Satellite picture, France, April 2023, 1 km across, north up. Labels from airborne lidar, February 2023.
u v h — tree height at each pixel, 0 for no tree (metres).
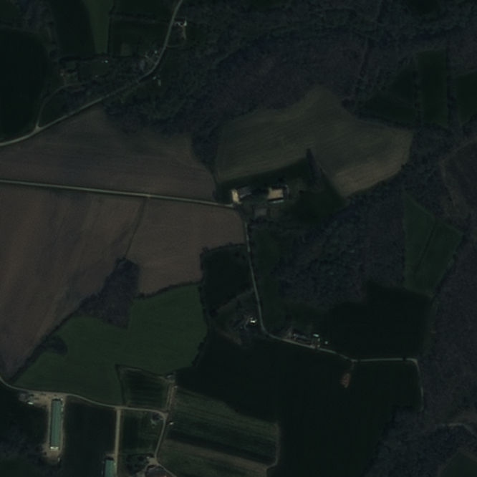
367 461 0
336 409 0
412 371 0
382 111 0
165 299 0
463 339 16
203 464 0
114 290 22
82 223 0
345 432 0
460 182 0
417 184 17
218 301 0
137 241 0
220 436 0
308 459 0
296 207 0
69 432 0
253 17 25
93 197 0
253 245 14
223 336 0
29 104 0
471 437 8
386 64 18
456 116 20
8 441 12
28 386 0
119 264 11
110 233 0
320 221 0
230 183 0
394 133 0
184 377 0
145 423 0
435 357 15
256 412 0
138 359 0
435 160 25
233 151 0
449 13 25
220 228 0
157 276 0
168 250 0
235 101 20
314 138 0
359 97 13
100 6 0
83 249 0
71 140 0
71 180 0
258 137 0
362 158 0
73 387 0
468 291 14
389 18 16
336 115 0
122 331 0
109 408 0
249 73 17
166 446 0
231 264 0
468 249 16
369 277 15
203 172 0
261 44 18
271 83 15
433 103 0
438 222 0
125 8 0
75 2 0
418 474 28
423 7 0
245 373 0
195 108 20
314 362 0
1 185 0
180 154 0
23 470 0
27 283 0
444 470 0
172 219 0
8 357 0
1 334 0
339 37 18
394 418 20
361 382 0
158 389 0
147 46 0
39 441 0
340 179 0
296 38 19
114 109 17
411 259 0
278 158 0
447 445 21
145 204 0
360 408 0
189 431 0
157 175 0
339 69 19
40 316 0
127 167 0
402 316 0
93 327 0
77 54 0
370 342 0
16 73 0
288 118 0
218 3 13
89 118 0
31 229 0
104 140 0
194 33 0
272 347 0
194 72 28
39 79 0
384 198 20
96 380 0
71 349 0
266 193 11
